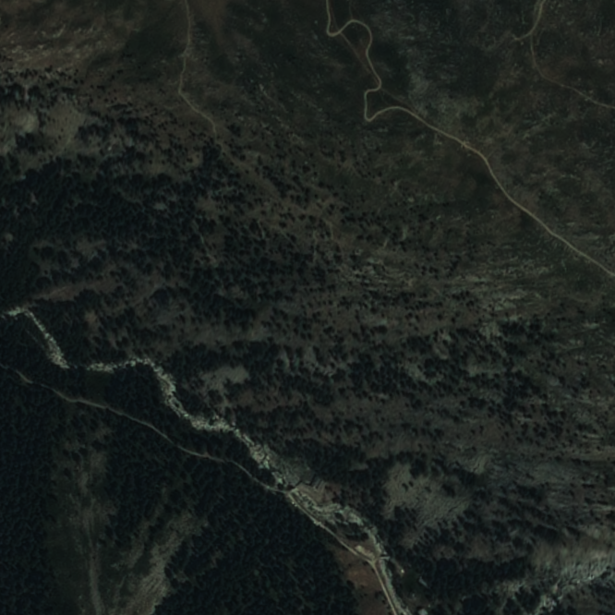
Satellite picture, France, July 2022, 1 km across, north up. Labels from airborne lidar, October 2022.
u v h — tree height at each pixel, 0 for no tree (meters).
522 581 20
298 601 20
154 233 10
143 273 13
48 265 0
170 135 8
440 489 0
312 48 0
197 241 14
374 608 0
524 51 0
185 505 28
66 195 17
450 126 0
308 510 0
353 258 8
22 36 0
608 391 0
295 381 14
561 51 0
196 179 17
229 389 14
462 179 0
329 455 18
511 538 7
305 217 7
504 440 9
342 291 0
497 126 0
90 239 10
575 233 0
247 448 24
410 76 0
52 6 0
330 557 19
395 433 7
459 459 0
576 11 0
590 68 0
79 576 0
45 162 7
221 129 0
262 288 16
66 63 0
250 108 0
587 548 7
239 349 19
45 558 19
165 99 0
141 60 0
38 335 18
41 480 21
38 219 20
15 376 18
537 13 0
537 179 0
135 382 16
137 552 0
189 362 16
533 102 0
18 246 19
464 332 11
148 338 23
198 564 25
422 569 28
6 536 32
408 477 0
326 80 0
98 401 0
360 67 0
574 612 19
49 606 9
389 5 0
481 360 6
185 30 0
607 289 0
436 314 0
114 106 8
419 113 0
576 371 0
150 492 22
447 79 0
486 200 0
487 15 0
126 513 21
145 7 0
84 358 15
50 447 23
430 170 0
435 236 0
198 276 16
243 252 8
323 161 0
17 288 27
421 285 0
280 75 0
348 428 16
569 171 0
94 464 0
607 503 6
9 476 26
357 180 0
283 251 8
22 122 0
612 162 0
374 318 0
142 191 14
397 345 0
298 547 25
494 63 0
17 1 0
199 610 20
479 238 0
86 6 0
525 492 14
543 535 16
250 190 8
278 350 23
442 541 15
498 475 0
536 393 6
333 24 0
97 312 25
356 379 18
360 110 0
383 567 0
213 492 21
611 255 0
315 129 0
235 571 28
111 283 0
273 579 30
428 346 12
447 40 0
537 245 0
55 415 25
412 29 0
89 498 0
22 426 22
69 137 0
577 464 14
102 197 20
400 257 0
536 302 0
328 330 12
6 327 23
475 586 25
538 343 9
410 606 0
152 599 0
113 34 0
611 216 0
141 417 10
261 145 0
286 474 0
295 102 0
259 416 11
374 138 0
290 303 8
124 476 26
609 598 13
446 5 0
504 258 0
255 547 23
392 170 0
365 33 0
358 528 17
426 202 0
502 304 0
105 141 6
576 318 0
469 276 0
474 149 0
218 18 0
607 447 0
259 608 22
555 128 0
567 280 0
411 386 12
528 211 0
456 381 14
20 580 26
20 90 16
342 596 28
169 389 0
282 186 9
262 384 16
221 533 21
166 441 6
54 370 22
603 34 0
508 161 0
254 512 28
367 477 27
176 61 0
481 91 0
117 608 0
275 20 0
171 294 19
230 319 17
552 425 10
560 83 0
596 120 0
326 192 0
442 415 7
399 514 19
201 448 27
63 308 21
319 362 13
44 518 19
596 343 0
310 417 16
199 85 0
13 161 15
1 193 19
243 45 0
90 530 0
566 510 0
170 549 0
